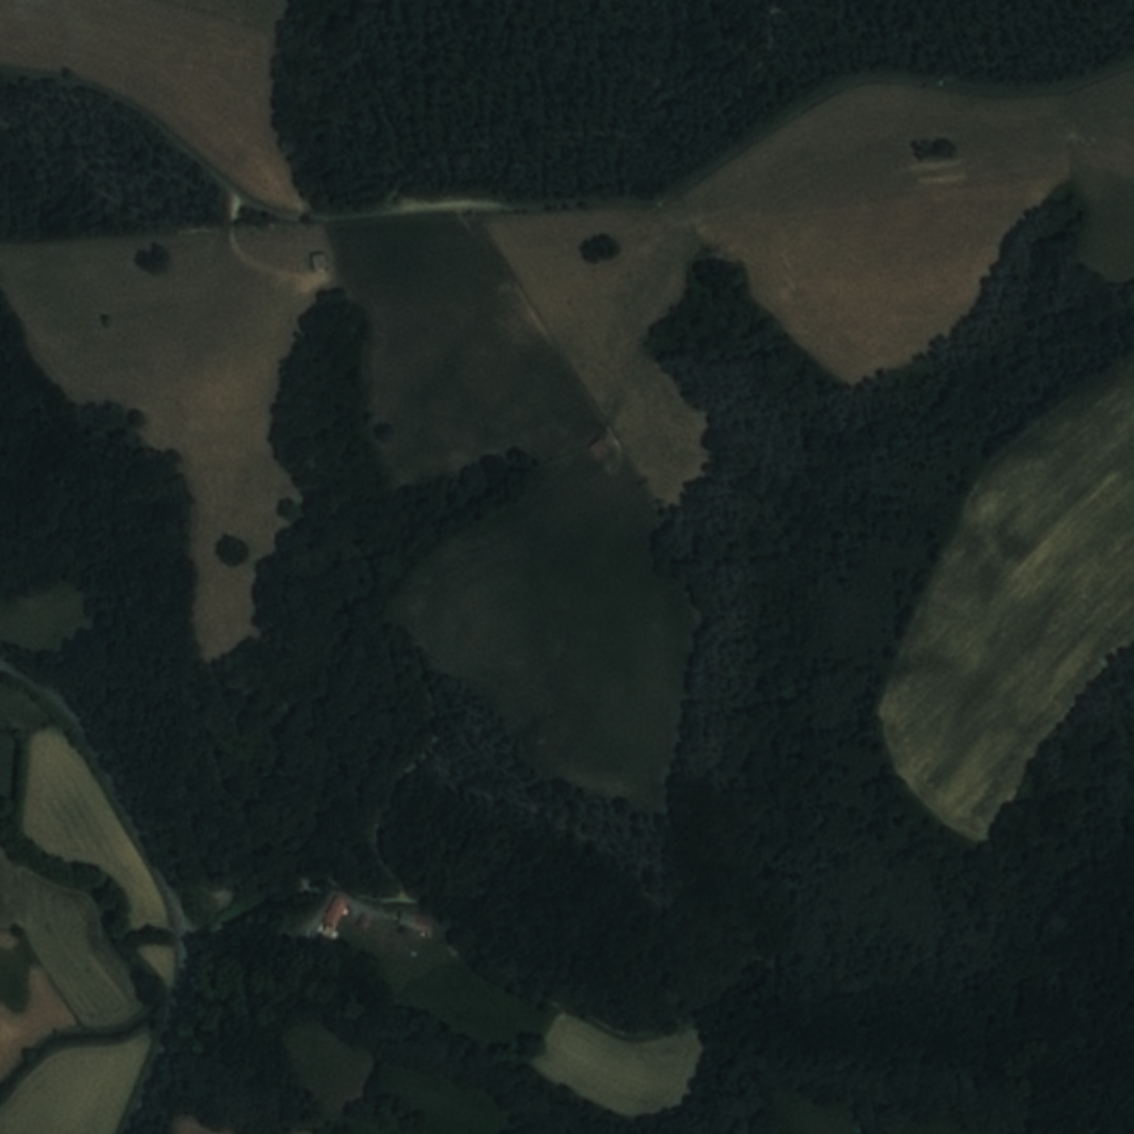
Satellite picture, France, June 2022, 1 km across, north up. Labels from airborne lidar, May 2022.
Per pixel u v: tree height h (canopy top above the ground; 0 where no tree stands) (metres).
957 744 0
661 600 0
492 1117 0
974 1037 25
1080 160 0
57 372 0
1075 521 0
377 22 21
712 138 14
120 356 0
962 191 0
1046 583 0
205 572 0
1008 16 17
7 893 0
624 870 17
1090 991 9
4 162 15
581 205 8
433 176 12
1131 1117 24
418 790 16
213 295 0
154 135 17
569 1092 13
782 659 21
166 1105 18
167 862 13
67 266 0
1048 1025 16
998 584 0
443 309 0
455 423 0
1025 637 0
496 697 0
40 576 25
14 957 0
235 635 0
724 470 16
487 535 0
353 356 13
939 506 6
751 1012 24
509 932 15
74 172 19
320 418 27
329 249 0
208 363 0
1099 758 21
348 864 20
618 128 17
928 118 0
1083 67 15
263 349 0
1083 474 0
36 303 0
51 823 0
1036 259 16
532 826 16
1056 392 14
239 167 0
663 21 19
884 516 12
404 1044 25
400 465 0
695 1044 0
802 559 27
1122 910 14
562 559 0
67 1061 0
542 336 0
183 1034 21
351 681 23
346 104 26
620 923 15
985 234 0
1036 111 0
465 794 15
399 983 0
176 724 21
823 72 10
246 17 0
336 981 27
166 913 0
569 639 0
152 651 21
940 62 14
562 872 19
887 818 14
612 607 0
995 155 0
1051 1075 23
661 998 25
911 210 0
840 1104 17
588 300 0
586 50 20
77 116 17
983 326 14
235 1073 28
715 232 0
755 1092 19
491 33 20
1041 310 17
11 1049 0
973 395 13
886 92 0
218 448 0
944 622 0
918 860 6
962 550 0
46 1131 0
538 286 0
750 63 8
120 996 0
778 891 30
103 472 21
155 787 25
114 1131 0
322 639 31
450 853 15
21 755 8
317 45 22
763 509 10
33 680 18
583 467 0
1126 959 15
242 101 0
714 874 26
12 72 0
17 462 20
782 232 0
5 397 17
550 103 16
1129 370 0
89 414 15
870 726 18
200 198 17
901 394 13
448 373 0
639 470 0
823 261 0
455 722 19
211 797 18
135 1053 0
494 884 19
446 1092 0
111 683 24
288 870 16
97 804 0
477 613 0
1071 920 22
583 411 0
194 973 24
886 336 0
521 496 16
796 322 0
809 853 12
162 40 0
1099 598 0
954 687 0
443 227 0
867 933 16
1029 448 0
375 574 20
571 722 0
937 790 0
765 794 22
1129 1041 18
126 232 9
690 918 18
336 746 26
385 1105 10
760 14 13
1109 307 22
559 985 23
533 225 0
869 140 0
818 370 9
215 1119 22
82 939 0
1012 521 0
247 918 19
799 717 22
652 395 0
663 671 0
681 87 21
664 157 15
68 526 27
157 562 22
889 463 8
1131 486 0
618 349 0
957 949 16
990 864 19
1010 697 0
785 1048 26
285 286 0
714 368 21
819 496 16
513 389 0
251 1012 32
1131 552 0
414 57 16
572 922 20
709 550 26
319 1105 12
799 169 0
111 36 0
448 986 0
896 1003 22
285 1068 20
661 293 0
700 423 0
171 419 0
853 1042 25
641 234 0
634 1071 0
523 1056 12
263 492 0
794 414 11
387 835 14
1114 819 23
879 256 0
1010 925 22
